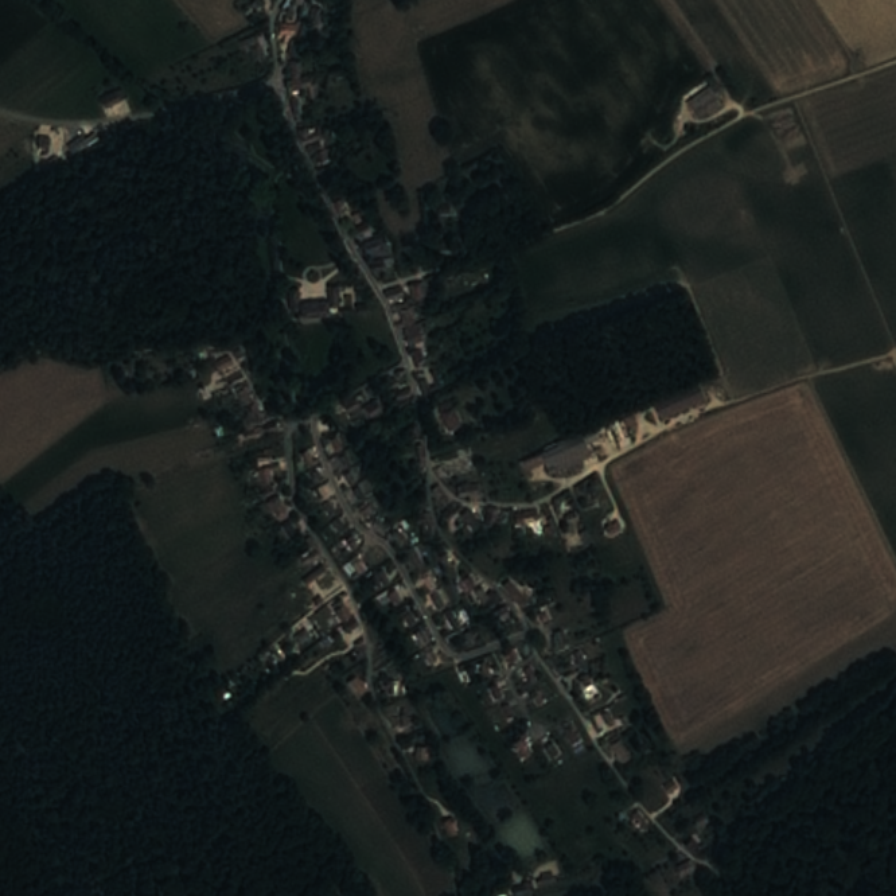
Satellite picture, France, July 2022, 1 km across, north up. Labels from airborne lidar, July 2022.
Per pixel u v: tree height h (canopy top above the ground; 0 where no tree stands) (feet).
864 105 0
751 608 0
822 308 0
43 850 35
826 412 0
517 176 53
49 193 83
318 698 0
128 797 61
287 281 51
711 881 54
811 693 45
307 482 23
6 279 82
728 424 0
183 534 0
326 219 85
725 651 0
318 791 0
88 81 0
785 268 0
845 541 0
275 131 87
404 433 47
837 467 0
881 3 0
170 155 77
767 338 0
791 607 0
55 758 53
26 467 0
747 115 0
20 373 0
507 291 56
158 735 61
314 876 68
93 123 0
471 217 67
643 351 101
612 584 42
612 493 0
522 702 0
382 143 53
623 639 0
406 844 0
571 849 0
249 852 45
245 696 22
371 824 0
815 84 0
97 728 42
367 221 57
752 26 0
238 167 103
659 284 0
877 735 65
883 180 0
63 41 0
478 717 0
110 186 84
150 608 75
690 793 33
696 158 0
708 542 0
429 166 0
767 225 0
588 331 87
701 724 0
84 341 86
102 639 78
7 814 55
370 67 0
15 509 85
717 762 67
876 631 0
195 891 69
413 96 0
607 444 0
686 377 77
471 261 59
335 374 78
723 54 0
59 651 77
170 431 0
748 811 24
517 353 66
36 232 87
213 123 106
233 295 54
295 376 93
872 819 66
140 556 68
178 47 0
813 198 0
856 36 0
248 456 21
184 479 0
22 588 74
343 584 0
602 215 0
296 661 44
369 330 0
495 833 43
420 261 71
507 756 0
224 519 0
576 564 60
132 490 38
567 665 17
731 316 0
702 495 0
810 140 0
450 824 0
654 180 0
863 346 0
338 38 42
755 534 0
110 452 0
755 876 60
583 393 96
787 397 0
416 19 0
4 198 49
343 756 0
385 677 20
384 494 71
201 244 84
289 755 0
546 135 0
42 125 0
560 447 0
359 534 0
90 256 79
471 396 0
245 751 65
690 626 0
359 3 0
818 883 63
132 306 64
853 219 0
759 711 0
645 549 0
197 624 0
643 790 57
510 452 0
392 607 24
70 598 77
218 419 35
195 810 59
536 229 73
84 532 54
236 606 0
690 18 0
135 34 0
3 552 77
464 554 20
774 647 0
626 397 83
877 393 0
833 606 0
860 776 76
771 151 0
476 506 0
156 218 94
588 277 0
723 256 0
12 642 58
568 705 0
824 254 0
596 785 0
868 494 0
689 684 0
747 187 0
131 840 37
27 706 50
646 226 0
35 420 0
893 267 0
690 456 0
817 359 0
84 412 0
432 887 0
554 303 0
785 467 0
